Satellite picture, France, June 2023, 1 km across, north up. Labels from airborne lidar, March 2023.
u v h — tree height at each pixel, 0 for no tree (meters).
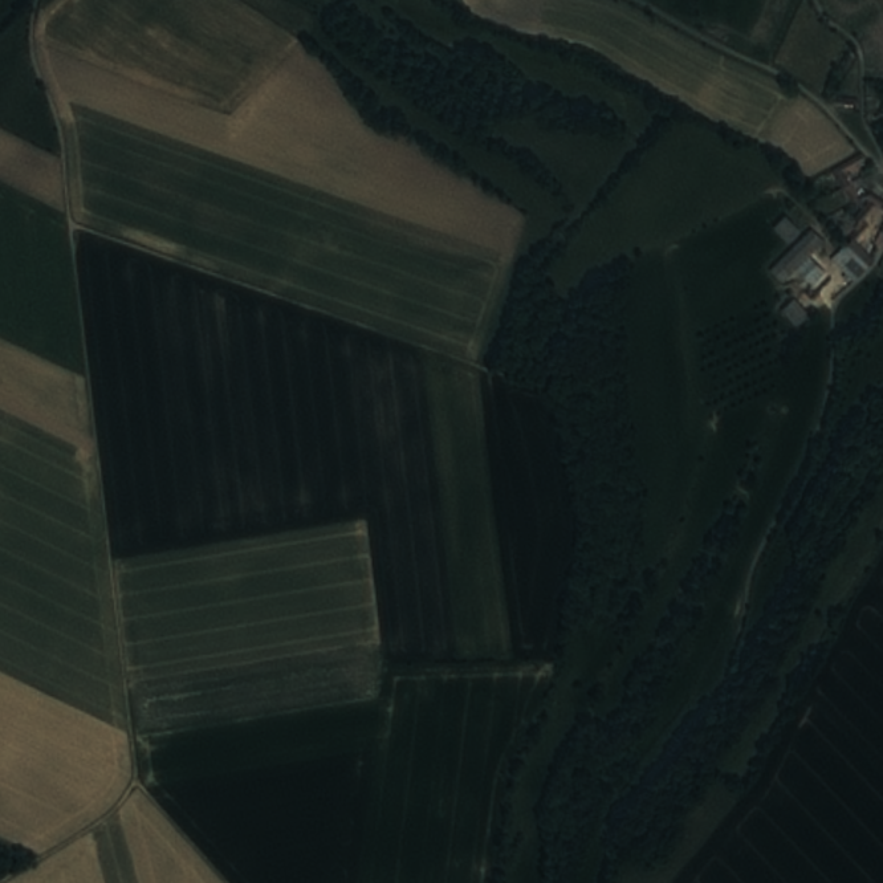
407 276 0
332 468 0
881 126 10
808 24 0
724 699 16
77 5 0
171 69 0
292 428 0
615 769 35
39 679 0
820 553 18
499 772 0
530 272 19
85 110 0
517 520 0
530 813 0
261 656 0
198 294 0
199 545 0
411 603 0
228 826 0
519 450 0
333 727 0
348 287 0
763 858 0
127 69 0
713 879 0
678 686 0
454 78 12
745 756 0
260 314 0
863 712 0
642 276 0
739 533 28
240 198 0
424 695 0
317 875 0
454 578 0
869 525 0
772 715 0
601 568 27
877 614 0
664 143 0
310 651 0
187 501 0
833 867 0
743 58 0
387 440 0
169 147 0
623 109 0
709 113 0
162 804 0
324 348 0
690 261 0
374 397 0
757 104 0
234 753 0
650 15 18
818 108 0
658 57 0
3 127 0
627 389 18
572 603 21
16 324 0
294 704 0
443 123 16
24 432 0
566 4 0
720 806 0
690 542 0
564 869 37
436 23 0
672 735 0
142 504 0
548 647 0
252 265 0
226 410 0
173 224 0
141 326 0
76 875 0
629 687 16
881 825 0
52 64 0
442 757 0
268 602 0
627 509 28
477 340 0
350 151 0
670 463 0
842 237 16
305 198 0
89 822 0
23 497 0
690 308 0
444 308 0
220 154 0
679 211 0
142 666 0
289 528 0
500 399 0
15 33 0
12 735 0
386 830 0
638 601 23
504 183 0
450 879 0
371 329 0
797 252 0
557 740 0
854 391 0
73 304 0
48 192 0
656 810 25
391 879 0
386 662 0
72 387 0
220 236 0
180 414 0
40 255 0
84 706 0
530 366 26
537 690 0
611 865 16
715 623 0
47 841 0
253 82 0
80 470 0
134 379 0
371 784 0
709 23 0
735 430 0
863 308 0
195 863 0
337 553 0
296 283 0
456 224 0
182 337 0
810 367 0
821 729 0
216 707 0
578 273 0
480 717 0
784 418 0
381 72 16
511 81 26
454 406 0
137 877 0
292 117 0
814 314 15
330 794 0
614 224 0
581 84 0
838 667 0
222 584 0
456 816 0
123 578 0
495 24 11
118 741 0
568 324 39
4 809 0
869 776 0
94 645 0
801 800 0
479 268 0
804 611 20
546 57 0
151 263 0
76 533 0
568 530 0
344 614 0
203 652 0
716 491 0
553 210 0
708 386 0
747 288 0
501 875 14
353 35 14
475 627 0
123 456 0
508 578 0
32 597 0
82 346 0
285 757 0
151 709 0
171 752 0
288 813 0
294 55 0
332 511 0
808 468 11
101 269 0
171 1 0
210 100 0
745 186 0
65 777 0
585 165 0
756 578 0
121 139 0
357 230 0
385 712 0
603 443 33
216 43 0
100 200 0
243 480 0
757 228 0
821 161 0
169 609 0
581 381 23
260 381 0
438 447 0
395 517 0
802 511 23
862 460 20
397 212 0
